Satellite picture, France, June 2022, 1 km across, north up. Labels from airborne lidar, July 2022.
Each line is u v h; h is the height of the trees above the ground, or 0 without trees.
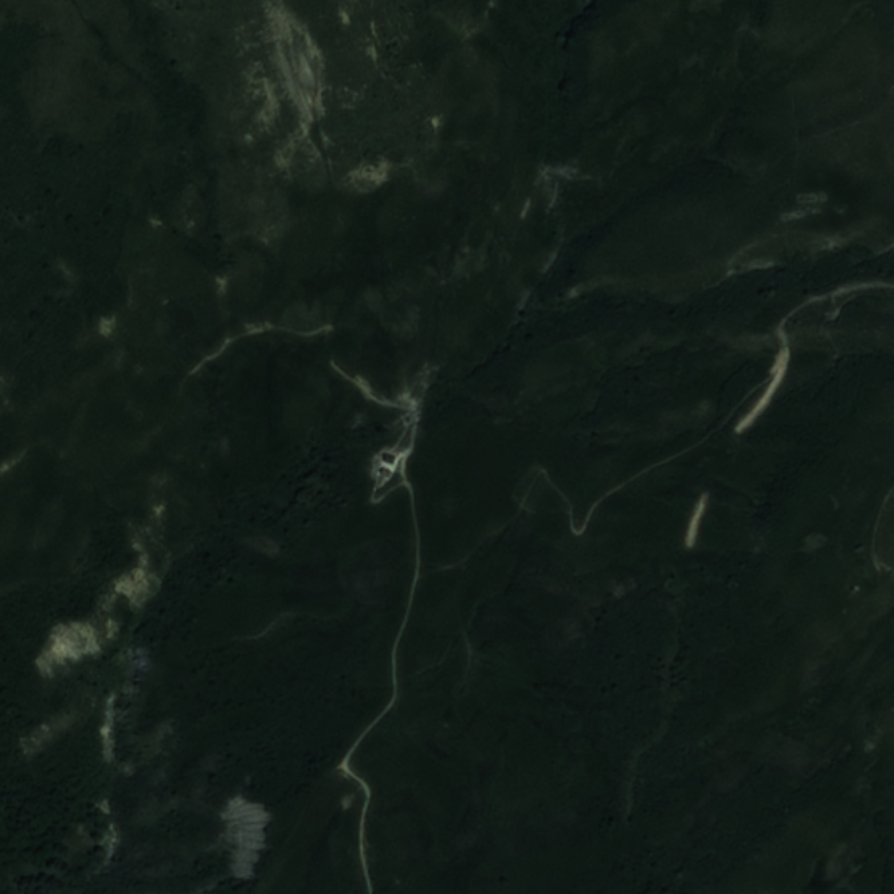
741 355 0
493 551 0
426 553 0
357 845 0
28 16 0
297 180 0
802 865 0
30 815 11
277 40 0
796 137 0
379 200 0
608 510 0
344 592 0
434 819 0
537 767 0
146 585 0
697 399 0
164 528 0
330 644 0
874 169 0
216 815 0
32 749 0
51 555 0
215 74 0
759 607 0
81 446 0
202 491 0
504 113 0
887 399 0
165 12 0
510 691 0
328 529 0
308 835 0
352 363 0
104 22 0
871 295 0
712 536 0
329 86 0
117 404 0
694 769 0
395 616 0
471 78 0
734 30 0
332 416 0
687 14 0
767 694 0
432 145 0
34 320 9
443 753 0
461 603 0
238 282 0
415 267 0
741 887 0
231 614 0
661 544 0
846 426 0
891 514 0
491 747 0
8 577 0
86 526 0
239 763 6
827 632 0
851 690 0
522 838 0
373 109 0
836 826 0
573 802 0
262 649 0
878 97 0
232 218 0
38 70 0
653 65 0
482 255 0
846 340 0
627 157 0
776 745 0
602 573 0
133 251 0
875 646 0
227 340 0
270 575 0
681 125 0
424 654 0
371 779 0
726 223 0
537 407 0
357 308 0
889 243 0
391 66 0
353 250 0
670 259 0
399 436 0
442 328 0
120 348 0
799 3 0
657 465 0
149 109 0
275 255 0
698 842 0
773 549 0
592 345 0
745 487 0
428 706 0
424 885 0
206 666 6
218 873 6
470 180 0
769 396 0
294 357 0
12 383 0
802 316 0
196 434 0
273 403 0
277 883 0
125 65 0
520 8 0
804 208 0
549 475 0
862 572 0
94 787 8
